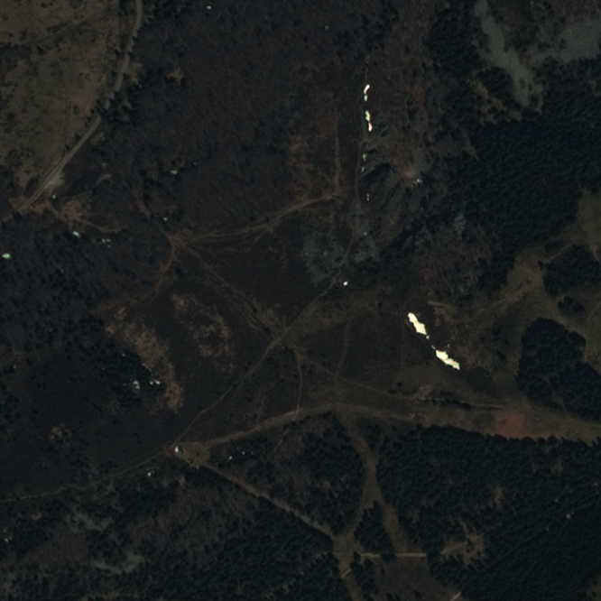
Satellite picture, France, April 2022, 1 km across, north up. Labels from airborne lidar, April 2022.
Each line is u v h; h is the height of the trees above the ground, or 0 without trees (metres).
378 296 0
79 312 11
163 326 0
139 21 0
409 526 20
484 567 23
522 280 0
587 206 0
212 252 0
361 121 0
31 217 11
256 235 0
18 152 0
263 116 12
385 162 9
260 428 0
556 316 0
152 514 17
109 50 0
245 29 11
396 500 11
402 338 0
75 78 0
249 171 12
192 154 11
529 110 7
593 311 0
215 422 0
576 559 12
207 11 7
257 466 7
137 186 9
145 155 13
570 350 31
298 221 0
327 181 0
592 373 16
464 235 21
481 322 0
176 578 11
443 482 22
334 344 0
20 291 15
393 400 0
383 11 11
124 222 9
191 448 0
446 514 21
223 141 11
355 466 21
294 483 22
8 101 0
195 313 0
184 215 8
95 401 0
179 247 0
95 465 0
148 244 12
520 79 0
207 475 12
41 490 0
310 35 10
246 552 9
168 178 13
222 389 0
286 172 8
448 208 11
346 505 21
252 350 0
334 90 0
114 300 10
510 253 15
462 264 16
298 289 0
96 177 0
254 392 0
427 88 14
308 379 0
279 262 0
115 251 10
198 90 12
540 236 13
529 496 25
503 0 0
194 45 12
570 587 21
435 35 17
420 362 0
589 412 23
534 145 24
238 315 0
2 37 0
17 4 0
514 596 25
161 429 0
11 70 0
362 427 0
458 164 19
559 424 0
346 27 11
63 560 16
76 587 24
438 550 15
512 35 9
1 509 0
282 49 8
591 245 0
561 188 16
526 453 25
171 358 0
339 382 0
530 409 0
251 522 20
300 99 0
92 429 0
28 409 0
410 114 12
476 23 8
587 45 0
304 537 22
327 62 8
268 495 10
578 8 18
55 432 0
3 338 12
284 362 0
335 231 0
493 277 28
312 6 13
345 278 0
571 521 7
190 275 0
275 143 10
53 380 0
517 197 17
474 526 6
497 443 22
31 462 0
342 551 0
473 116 9
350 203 0
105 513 11
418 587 0
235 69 13
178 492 9
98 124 0
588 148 29
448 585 21
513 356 0
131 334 0
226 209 12
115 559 10
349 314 0
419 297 0
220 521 13
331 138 0
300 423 8
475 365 0
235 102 13
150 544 22
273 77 12
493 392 0
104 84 0
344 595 20
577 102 31
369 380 0
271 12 8
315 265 0
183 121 11
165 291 0
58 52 0
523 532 31
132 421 0
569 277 13
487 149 17
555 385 14
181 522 14
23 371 0
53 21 0
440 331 0
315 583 14
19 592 13
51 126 0
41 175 0
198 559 27
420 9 14
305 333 0
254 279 0
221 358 0
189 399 0
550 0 7
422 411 0
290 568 20
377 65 12
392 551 18
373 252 0
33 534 11
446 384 0
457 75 21
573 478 17
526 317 0
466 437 20
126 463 0
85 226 0
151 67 10
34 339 10
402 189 9
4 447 0
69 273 12
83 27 0
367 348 0
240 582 12
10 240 10
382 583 0
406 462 19
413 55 11
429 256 7
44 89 0
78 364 0
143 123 7
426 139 9
